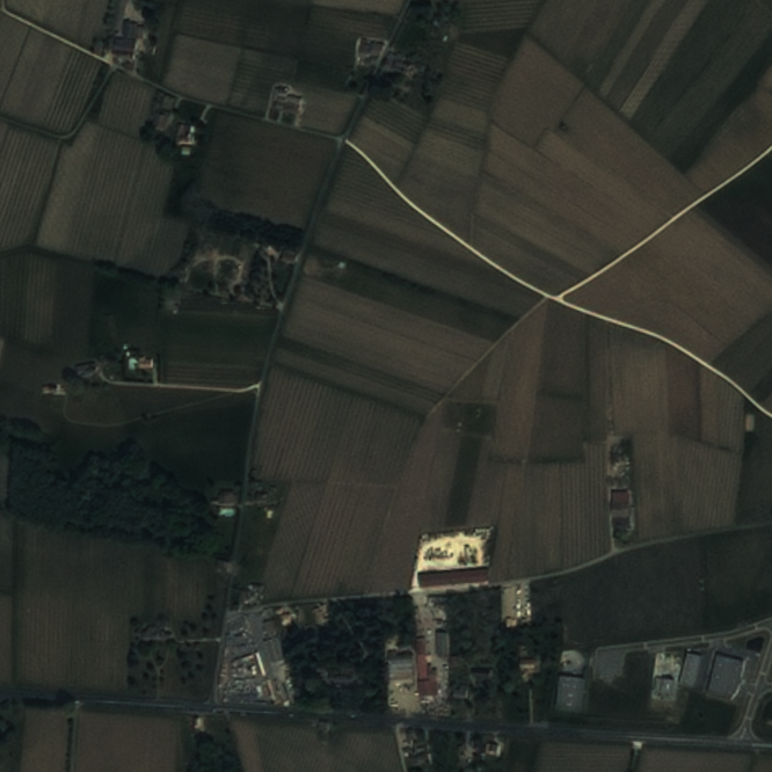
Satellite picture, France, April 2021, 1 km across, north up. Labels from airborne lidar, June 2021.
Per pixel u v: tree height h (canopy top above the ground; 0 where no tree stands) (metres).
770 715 0
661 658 0
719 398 0
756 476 0
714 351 0
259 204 0
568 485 0
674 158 0
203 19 0
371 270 0
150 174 0
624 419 0
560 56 0
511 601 0
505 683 12
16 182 0
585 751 0
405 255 0
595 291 0
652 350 0
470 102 0
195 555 24
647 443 0
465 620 17
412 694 0
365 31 0
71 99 0
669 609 0
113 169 0
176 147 11
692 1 0
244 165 0
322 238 0
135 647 8
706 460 0
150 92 0
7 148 0
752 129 0
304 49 0
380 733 0
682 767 0
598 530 0
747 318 0
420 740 19
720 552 0
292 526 0
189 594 0
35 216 0
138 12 0
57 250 0
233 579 0
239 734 0
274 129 0
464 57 0
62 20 0
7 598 0
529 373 0
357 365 0
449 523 0
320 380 0
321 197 0
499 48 0
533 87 0
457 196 0
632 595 0
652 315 0
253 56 0
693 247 0
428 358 0
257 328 0
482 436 0
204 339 0
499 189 0
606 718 0
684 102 0
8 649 0
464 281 0
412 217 0
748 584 0
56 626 0
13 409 0
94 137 0
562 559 0
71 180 0
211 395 0
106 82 0
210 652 0
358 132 0
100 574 0
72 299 0
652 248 0
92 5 0
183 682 7
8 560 0
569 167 0
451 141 0
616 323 0
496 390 0
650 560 0
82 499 22
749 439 0
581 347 0
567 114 0
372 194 0
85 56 0
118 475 19
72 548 0
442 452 0
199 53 0
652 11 0
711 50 0
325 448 0
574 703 0
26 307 0
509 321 0
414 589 0
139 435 0
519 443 0
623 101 0
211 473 0
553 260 0
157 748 0
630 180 0
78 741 0
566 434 0
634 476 0
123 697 0
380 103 0
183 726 0
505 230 0
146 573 0
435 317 0
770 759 0
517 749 0
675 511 0
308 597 0
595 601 0
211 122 0
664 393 0
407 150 0
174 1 0
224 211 6
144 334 0
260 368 0
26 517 24
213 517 7
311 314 0
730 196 0
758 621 0
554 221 0
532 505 0
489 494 0
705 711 0
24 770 0
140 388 0
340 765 0
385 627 11
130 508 25
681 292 0
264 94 0
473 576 0
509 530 0
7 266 0
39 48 0
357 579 0
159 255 0
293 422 0
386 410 0
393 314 0
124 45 0
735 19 0
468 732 0
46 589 0
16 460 17
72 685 0
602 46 0
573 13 0
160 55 0
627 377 0
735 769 0
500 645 17
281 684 0
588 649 0
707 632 0
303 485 0
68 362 0
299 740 0
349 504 0
